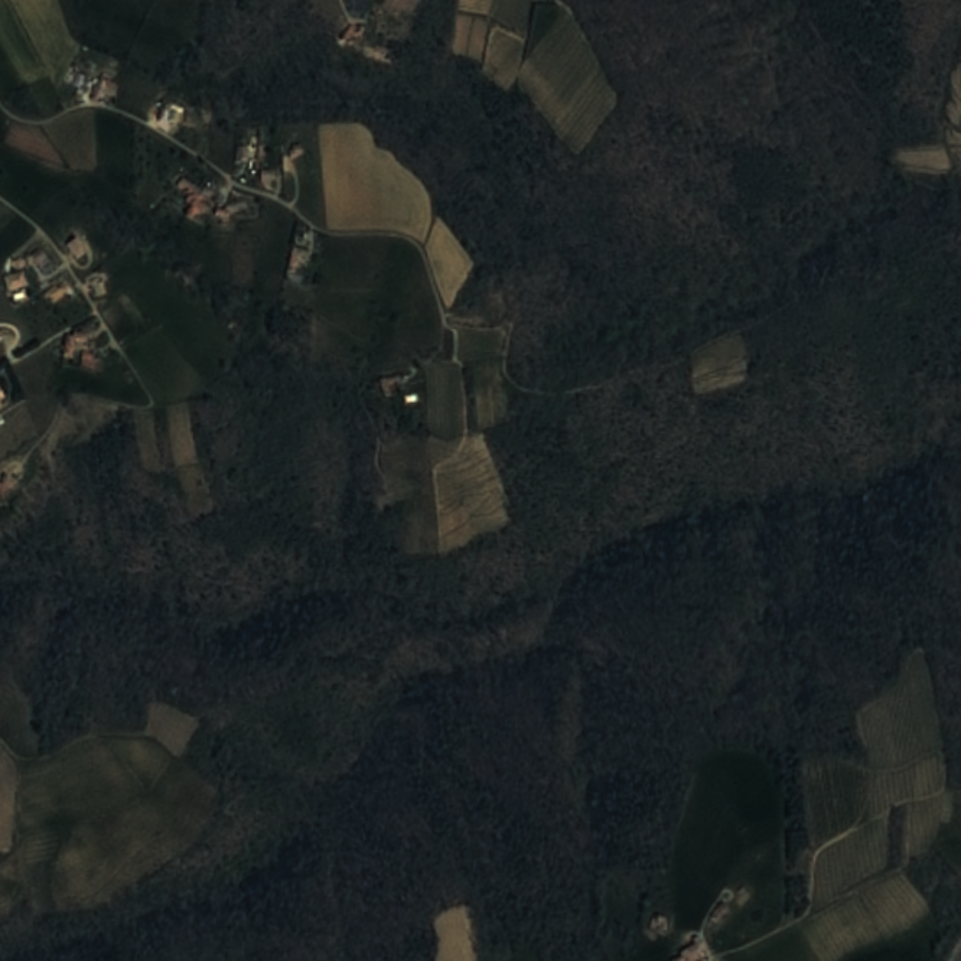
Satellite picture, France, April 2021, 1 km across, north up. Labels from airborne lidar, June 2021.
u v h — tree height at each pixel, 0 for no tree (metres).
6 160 0
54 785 0
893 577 14
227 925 16
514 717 17
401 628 12
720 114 12
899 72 11
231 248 0
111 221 14
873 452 14
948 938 9
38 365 0
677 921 0
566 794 17
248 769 14
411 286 0
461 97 10
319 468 10
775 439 7
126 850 0
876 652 19
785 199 14
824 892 0
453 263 0
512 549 6
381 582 17
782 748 13
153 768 0
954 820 0
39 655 5
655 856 11
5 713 0
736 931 0
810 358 7
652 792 15
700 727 12
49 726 13
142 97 0
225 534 13
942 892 8
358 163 0
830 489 27
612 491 12
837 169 9
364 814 16
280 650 16
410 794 14
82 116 0
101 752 0
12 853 7
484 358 0
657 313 20
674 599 16
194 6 0
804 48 26
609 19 15
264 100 17
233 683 15
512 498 8
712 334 15
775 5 18
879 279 8
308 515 8
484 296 7
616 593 9
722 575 16
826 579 20
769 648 17
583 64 0
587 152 8
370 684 14
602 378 8
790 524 17
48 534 10
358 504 11
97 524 7
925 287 11
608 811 12
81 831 0
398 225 0
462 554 12
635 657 14
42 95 0
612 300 21
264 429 13
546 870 13
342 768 21
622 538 14
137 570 7
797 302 8
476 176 15
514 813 14
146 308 0
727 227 13
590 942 17
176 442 0
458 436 0
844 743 6
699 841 0
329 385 18
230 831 8
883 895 0
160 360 0
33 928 8
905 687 0
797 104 17
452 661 20
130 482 10
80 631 14
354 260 0
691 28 20
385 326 0
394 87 22
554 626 12
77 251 0
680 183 8
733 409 6
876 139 22
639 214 10
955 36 6
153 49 0
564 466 8
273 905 11
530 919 9
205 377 0
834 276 12
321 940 14
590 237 13
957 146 0
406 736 11
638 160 10
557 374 12
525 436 7
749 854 0
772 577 20
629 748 15
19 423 0
